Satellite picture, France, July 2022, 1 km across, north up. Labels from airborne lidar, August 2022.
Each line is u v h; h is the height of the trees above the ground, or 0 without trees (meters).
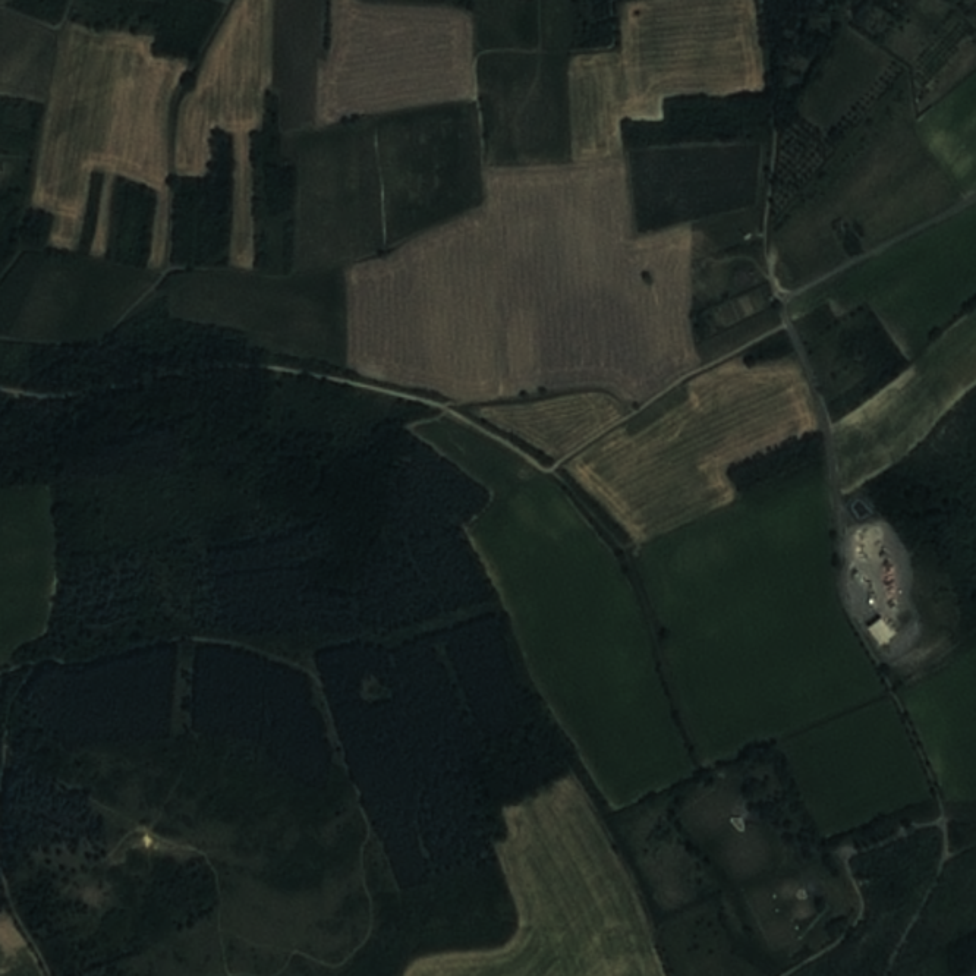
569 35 0
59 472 15
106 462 16
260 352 11
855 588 0
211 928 0
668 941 0
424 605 12
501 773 15
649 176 0
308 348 0
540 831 0
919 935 6
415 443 13
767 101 8
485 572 8
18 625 0
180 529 6
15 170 0
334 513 14
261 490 9
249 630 11
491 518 0
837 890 0
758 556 0
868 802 0
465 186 0
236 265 0
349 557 13
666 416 0
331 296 0
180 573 6
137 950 7
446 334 0
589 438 0
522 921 0
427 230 0
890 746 0
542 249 0
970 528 8
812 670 0
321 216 0
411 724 11
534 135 0
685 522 0
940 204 0
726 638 0
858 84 0
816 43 14
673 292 0
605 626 0
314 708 10
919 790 0
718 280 0
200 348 18
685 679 0
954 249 0
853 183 0
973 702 0
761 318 0
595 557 0
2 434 12
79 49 0
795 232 0
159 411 10
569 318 0
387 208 0
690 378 0
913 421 0
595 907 0
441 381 0
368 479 13
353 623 12
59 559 10
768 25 12
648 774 0
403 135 0
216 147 13
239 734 10
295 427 6
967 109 0
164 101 0
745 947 0
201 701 10
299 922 0
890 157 0
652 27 0
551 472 0
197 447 10
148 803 0
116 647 6
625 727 0
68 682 15
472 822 14
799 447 13
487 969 0
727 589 0
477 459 0
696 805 0
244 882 0
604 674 0
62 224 0
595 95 0
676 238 0
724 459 0
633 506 0
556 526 0
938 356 0
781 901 0
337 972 0
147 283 0
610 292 0
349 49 0
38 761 12
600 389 0
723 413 0
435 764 10
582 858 0
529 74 0
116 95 0
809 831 8
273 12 0
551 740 10
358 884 0
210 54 0
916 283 0
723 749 0
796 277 0
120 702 15
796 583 0
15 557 0
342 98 0
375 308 0
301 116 0
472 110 0
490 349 0
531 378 0
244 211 0
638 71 0
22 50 0
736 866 0
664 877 0
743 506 0
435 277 0
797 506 0
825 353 0
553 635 0
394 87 0
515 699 12
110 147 0
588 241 0
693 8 0
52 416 10
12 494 0
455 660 12
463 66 0
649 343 0
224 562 14
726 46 0
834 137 10
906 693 0
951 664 0
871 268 0
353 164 0
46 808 14
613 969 0
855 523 0
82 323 0
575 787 0
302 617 12
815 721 0
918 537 6
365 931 0
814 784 0
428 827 9
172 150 0
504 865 0
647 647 0
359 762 12
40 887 6
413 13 0
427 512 12
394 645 6
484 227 0
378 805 7
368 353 0
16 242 12
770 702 0
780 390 0
